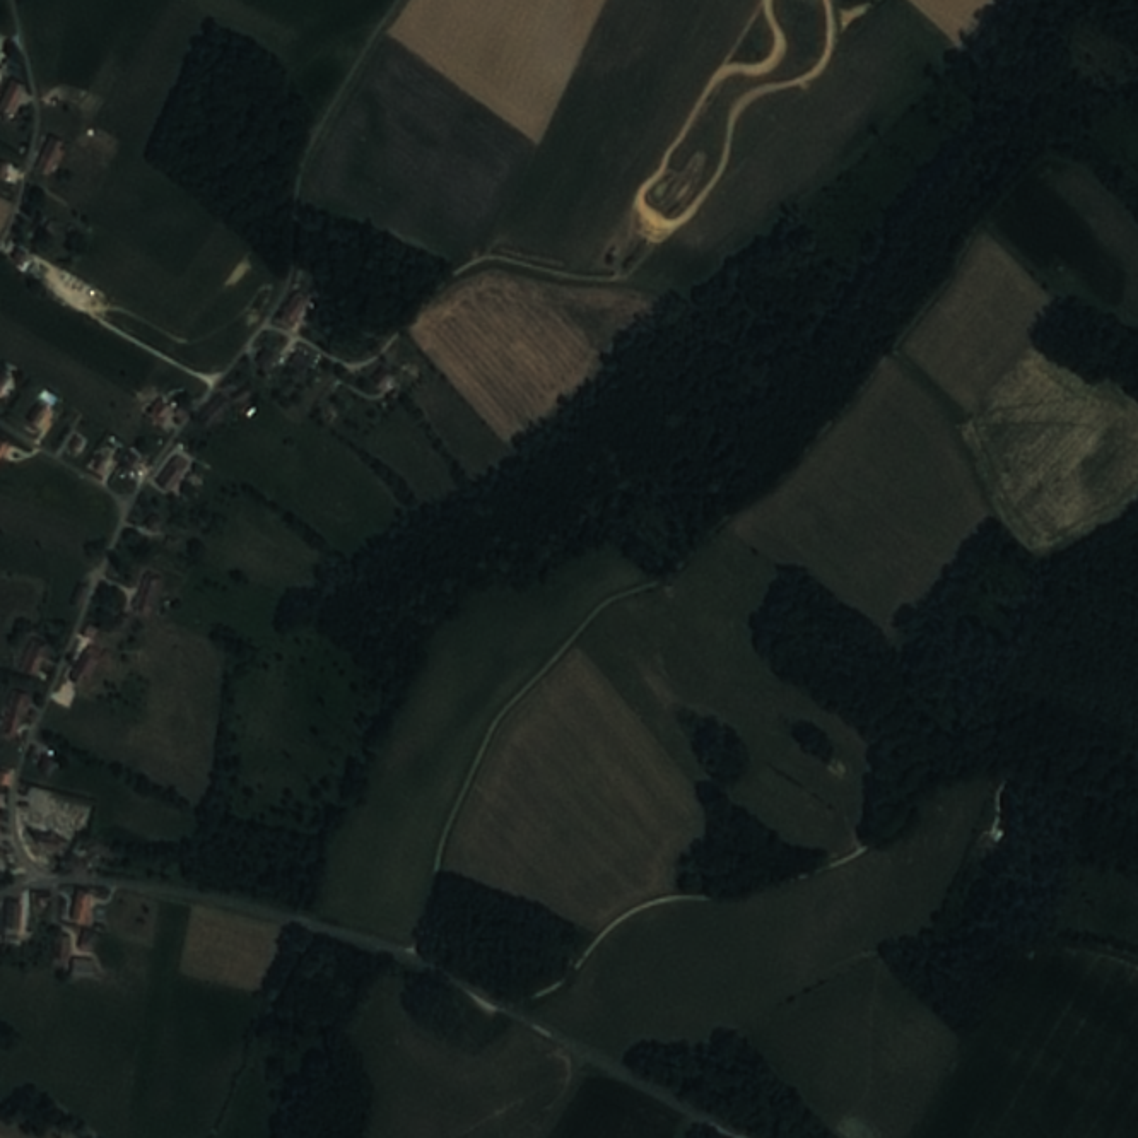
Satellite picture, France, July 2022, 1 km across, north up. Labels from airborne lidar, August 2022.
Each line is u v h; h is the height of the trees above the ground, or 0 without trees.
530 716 0
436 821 0
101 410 0
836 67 0
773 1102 17
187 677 0
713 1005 0
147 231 0
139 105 0
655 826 0
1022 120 30
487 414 0
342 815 16
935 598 11
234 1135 0
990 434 0
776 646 25
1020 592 23
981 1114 0
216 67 21
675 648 0
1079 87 21
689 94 0
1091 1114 0
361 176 0
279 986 15
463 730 0
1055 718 19
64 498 0
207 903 0
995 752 21
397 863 0
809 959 0
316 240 16
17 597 0
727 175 0
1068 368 11
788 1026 0
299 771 0
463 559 19
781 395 20
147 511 6
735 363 18
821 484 0
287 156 24
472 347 0
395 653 24
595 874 0
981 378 0
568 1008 0
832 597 12
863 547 0
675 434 21
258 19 0
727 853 25
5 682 9
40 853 0
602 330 0
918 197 22
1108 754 22
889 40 0
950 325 0
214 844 11
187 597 0
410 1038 0
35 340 0
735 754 24
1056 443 0
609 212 0
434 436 7
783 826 0
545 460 19
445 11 0
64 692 0
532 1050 0
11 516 0
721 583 0
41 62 0
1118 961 0
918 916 0
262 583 0
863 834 17
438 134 0
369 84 0
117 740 0
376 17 0
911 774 30
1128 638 18
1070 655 17
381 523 0
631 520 7
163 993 0
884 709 22
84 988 0
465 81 0
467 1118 0
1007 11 22
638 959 0
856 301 21
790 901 0
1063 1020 0
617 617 0
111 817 0
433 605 22
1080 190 0
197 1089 0
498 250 0
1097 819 16
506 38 0
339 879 0
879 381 0
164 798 13
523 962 36
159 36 0
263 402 7
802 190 0
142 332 0
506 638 0
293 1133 24
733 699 0
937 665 30
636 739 0
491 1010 0
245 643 12
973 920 7
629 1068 13
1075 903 0
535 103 0
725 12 0
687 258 0
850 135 0
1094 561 17
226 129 25
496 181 0
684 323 13
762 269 18
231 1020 0
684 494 21
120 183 0
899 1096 0
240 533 0
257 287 0
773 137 0
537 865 0
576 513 24
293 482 0
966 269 0
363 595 19
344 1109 27
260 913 0
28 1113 18
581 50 0
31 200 10
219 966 0
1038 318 0
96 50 0
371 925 0
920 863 0
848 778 0
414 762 0
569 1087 0
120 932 0
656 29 0
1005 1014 0
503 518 21
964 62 25
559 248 0
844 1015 0
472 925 20
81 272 0
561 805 0
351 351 0
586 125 0
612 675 0
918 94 0
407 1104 0
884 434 0
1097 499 0
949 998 25
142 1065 0
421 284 23
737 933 0
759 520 0
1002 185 25
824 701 21
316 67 0
